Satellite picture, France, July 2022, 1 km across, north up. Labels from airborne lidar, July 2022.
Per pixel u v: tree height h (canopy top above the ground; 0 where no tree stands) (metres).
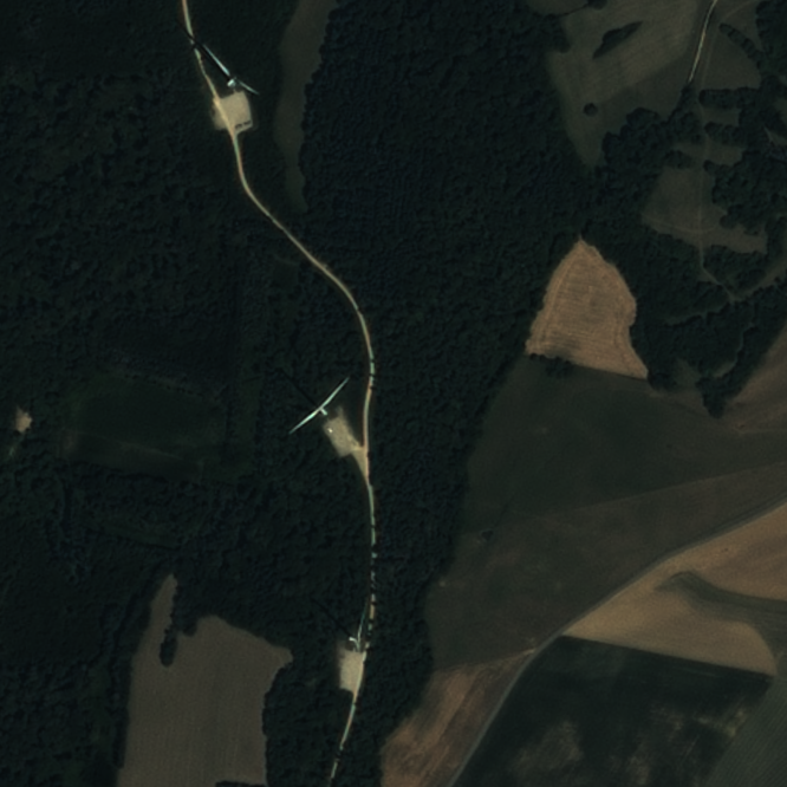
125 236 22
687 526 0
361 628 13
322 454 20
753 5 0
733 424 0
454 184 19
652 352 18
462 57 17
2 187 27
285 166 14
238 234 20
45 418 17
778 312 17
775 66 17
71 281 22
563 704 0
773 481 0
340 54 25
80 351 23
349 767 14
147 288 14
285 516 21
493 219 16
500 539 0
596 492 0
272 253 8
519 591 0
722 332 17
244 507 21
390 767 0
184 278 23
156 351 10
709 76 0
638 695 0
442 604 0
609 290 0
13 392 20
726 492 0
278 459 25
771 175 17
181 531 20
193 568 18
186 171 24
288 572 22
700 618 0
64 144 20
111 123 25
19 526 8
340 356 11
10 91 6
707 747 0
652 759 0
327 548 19
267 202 11
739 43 6
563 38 16
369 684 15
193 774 0
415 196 18
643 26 0
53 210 22
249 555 24
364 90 22
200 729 0
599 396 0
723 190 15
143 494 24
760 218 13
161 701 0
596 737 0
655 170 17
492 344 17
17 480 18
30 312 23
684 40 0
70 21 12
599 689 0
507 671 0
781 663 0
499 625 0
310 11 0
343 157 23
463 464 18
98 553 11
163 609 0
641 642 0
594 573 0
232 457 12
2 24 11
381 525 17
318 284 22
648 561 0
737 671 0
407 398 19
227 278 13
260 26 14
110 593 6
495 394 15
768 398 0
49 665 18
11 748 25
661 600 0
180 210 27
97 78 17
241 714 0
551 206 18
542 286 20
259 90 11
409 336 16
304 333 15
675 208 0
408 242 22
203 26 10
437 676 0
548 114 17
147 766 0
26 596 9
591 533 0
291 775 24
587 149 0
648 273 14
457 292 18
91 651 12
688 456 0
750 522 0
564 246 17
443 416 18
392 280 24
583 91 0
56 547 31
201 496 20
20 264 22
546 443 0
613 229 17
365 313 18
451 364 16
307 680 22
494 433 0
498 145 21
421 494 20
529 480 0
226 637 0
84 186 22
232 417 16
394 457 17
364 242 17
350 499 17
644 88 0
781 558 0
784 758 0
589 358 0
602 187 6
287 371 20
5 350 20
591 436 0
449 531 20
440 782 0
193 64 7
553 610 0
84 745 23
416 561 18
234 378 16
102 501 22
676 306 15
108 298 24
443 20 22
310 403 0
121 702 19
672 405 0
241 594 26
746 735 0
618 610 0
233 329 19
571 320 0
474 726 0
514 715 0
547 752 0
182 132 11
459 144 19
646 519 0
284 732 19
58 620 8
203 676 0
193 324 18
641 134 15
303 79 0
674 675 0
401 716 19
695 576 0
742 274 7
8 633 7
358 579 19
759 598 0
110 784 10
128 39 10
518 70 22
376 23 26
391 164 23
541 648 0
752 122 19
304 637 20
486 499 0
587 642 0
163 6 8
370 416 0
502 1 26
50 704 23
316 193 21
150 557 12
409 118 19
